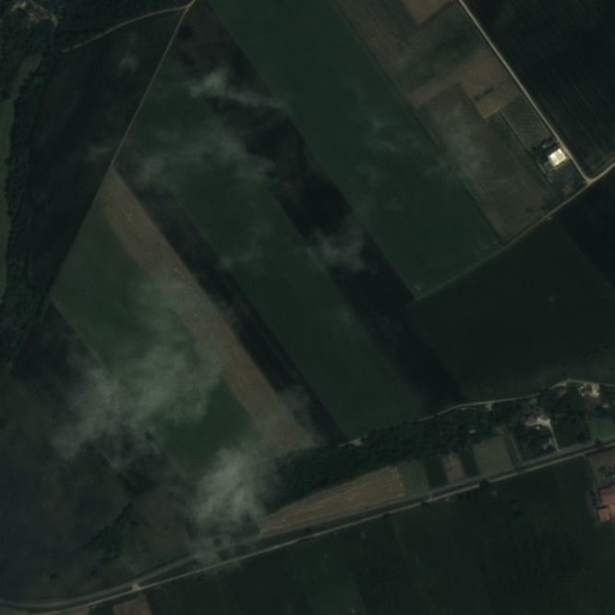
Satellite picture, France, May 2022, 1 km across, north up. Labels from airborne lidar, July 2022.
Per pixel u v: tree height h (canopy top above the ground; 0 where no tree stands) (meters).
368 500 0
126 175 0
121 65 0
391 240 0
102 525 0
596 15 0
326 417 0
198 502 0
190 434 0
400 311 0
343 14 0
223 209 0
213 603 0
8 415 0
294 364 0
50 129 0
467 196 0
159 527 0
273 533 0
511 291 0
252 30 0
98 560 0
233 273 0
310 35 0
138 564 0
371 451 14
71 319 0
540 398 15
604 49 0
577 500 0
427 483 0
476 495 10
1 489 0
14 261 9
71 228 0
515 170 0
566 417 12
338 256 0
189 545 0
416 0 0
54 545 0
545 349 0
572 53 0
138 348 0
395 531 0
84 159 0
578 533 0
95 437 0
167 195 0
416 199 0
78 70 0
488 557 0
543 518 0
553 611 0
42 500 0
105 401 0
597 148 0
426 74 0
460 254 0
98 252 0
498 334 0
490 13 0
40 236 0
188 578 0
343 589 0
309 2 0
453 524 0
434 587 0
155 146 0
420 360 0
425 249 0
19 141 18
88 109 0
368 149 0
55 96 0
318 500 0
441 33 0
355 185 0
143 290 0
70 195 0
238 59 0
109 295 0
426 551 0
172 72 0
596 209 0
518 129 0
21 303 6
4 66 18
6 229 0
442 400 0
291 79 0
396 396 0
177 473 0
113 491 0
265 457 0
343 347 0
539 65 0
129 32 0
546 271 0
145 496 0
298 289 0
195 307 0
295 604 0
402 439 13
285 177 0
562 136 0
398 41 0
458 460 0
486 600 0
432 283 0
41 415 0
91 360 0
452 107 0
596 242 0
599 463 0
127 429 0
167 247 0
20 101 9
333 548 0
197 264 0
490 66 0
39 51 12
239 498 13
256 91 0
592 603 0
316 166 0
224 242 0
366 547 0
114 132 0
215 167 0
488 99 0
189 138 0
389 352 0
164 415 0
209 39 0
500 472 0
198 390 0
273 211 0
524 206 0
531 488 0
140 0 13
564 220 0
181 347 0
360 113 0
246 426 0
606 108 0
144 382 0
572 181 0
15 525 0
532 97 0
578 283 0
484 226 0
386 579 0
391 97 0
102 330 0
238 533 20
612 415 7
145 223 0
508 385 0
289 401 0
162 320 0
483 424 14
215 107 0
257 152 0
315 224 0
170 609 0
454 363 0
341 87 0
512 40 0
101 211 0
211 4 0
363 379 0
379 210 0
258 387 0
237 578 0
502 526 0
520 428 20
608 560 0
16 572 0
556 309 0
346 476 13
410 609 0
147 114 0
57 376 0
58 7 25
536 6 0
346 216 0
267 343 0
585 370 0
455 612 0
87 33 14
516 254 0
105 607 0
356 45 0
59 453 0
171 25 0
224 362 0
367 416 0
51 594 0
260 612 0
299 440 0
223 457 0
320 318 0
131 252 0
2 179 0
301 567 0
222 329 0
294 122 0
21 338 11
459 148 0
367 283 0
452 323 0
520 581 0
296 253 0
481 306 0
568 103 0
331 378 0
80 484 0
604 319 0
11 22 16
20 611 0
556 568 0
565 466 0
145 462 0
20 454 0
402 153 0
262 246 0
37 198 0
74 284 0
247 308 0
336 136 0
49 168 0
